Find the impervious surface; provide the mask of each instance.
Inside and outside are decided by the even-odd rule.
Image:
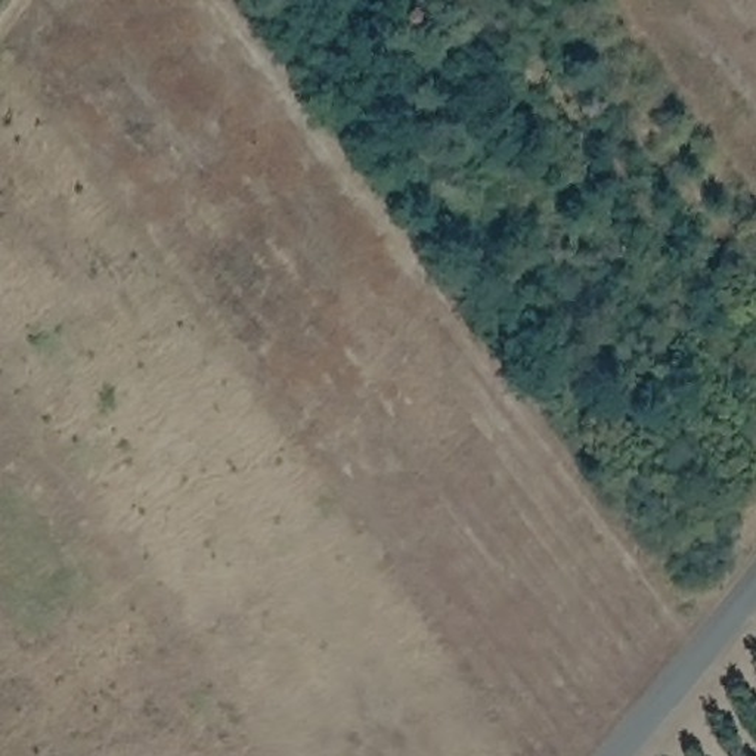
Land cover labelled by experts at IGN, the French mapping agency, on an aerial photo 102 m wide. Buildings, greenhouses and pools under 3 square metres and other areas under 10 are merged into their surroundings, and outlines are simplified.
[[[629,718],[629,724],[620,729],[620,735],[602,756],[635,756],[659,729],[659,724],[682,703],[688,688],[703,676],[703,670],[732,644],[732,635],[747,623],[747,617],[756,611],[756,564],[750,564],[741,582],[721,599],[715,614],[697,626],[685,656],[656,685],[656,691]]]

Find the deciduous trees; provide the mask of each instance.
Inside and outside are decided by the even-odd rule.
[[[732,718],[724,721],[721,715],[709,715],[706,721],[721,747],[726,750],[726,756],[756,756],[756,750],[738,741]]]
[[[470,334],[481,340],[487,351],[499,360],[499,375],[508,381],[514,393],[517,399],[535,399],[540,405],[549,431],[558,440],[564,440],[564,446],[576,458],[582,478],[594,490],[594,499],[602,508],[623,514],[623,529],[632,535],[632,540],[650,555],[664,558],[664,570],[670,582],[679,588],[706,591],[732,567],[732,543],[738,537],[744,508],[750,505],[756,490],[756,195],[747,192],[741,177],[726,180],[721,186],[703,168],[703,162],[715,151],[712,130],[685,109],[670,80],[664,77],[656,53],[644,41],[629,35],[623,15],[614,12],[611,0],[233,0],[239,15],[248,21],[254,38],[260,38],[272,59],[286,68],[289,86],[298,103],[304,106],[307,121],[340,139],[351,168],[366,177],[369,189],[378,198],[384,198],[393,224],[408,230],[410,245],[419,263],[425,266],[428,278],[455,301],[455,310],[467,322]]]
[[[744,679],[726,691],[729,700],[738,706],[744,726],[756,735],[756,691]]]

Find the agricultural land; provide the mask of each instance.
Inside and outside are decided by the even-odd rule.
[[[670,80],[685,109],[712,130],[715,151],[703,162],[703,168],[721,186],[726,180],[741,177],[747,192],[756,195],[756,0],[611,0],[614,12],[623,15],[629,35],[644,41],[656,53],[664,77]]]
[[[340,139],[307,121],[304,106],[298,103],[289,86],[286,68],[272,59],[260,38],[254,38],[248,21],[239,15],[233,0],[0,0],[0,756],[602,756],[620,735],[620,729],[629,724],[629,718],[656,691],[656,685],[685,656],[697,626],[688,635],[676,632],[650,597],[647,585],[641,579],[629,579],[629,570],[620,561],[620,555],[594,532],[594,523],[588,520],[588,505],[582,505],[573,487],[561,481],[549,455],[523,428],[520,416],[505,405],[505,399],[514,393],[508,381],[499,375],[499,360],[487,351],[481,340],[470,334],[467,322],[455,310],[455,301],[428,278],[425,266],[419,263],[410,245],[408,230],[393,224],[384,198],[378,198],[369,189],[366,177],[351,168]]]

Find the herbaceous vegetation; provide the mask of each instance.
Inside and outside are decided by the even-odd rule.
[[[724,721],[732,718],[738,741],[756,750],[756,735],[744,726],[738,706],[729,700],[726,691],[744,679],[756,691],[756,611],[747,617],[747,623],[732,635],[732,644],[703,670],[703,676],[688,688],[682,703],[659,724],[659,729],[635,756],[726,756],[726,750],[721,747],[706,721],[709,715],[721,715]]]
[[[594,523],[594,532],[620,555],[620,561],[629,570],[629,579],[641,579],[647,585],[650,597],[676,632],[688,635],[697,626],[715,614],[721,599],[741,582],[750,564],[756,564],[756,490],[750,505],[744,508],[738,537],[732,543],[732,567],[706,591],[679,588],[670,582],[664,570],[664,558],[650,555],[632,540],[632,535],[623,529],[623,514],[602,508],[594,499],[594,490],[582,478],[576,458],[564,446],[564,440],[558,440],[549,431],[540,405],[535,399],[517,399],[514,393],[505,399],[505,405],[520,416],[523,428],[549,455],[561,481],[573,487],[582,505],[588,505],[588,520]]]

